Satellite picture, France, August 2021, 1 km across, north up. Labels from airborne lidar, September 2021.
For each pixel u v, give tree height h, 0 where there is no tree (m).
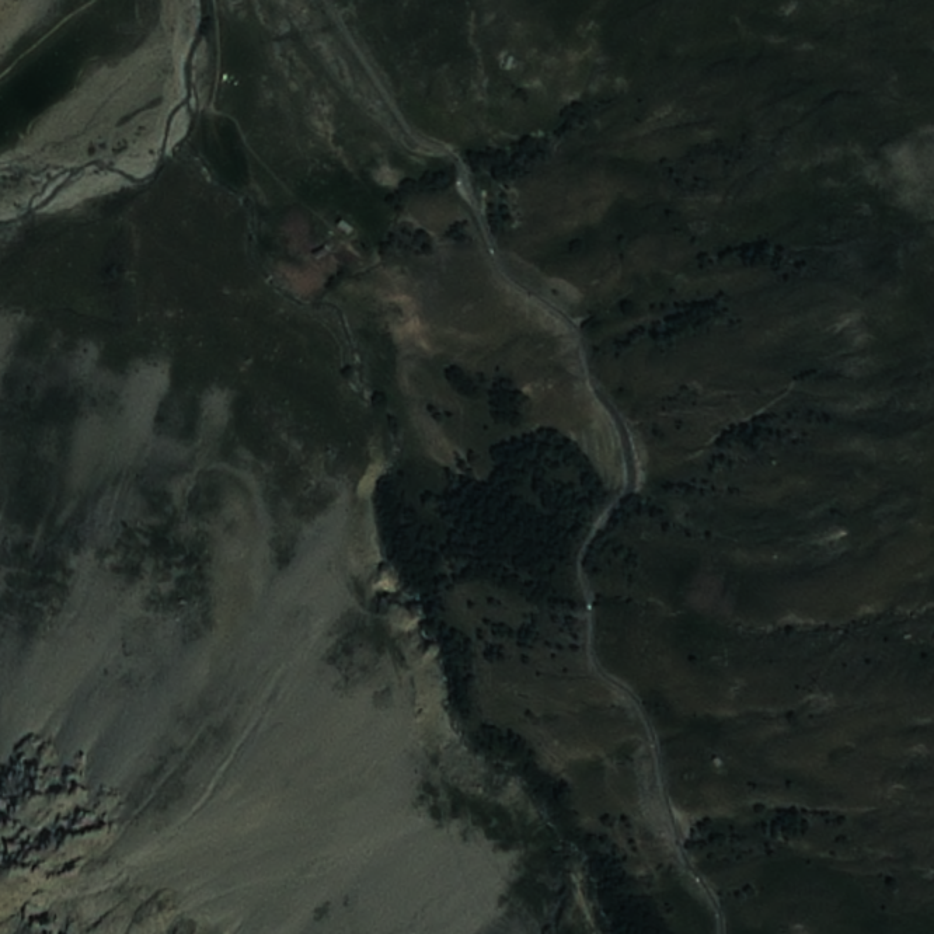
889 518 0
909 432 0
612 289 0
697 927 0
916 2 0
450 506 11
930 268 0
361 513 0
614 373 0
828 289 0
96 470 0
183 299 0
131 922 0
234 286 0
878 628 0
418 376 0
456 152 0
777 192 0
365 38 0
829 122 0
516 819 0
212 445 0
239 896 0
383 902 0
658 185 0
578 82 0
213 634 0
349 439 0
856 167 0
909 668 0
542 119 0
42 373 0
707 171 0
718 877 0
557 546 8
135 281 0
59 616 0
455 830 0
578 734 0
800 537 0
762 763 0
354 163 0
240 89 0
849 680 0
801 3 0
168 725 0
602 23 0
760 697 0
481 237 0
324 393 0
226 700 0
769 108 0
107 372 0
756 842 0
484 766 0
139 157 0
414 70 0
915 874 0
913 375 0
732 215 0
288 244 0
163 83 0
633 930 9
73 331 0
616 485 0
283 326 0
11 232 0
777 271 7
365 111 0
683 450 0
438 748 0
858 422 0
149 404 0
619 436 0
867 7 0
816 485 0
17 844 0
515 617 0
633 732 0
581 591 0
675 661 0
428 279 0
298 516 0
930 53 0
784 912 0
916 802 0
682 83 0
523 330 0
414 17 0
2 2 0
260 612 0
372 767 0
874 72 0
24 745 0
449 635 7
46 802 0
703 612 0
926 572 0
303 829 0
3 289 0
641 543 0
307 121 0
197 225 0
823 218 0
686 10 0
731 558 0
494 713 0
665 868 6
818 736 0
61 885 0
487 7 0
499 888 0
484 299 0
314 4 0
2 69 0
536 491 7
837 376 0
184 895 0
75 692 0
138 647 0
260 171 0
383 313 0
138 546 0
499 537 7
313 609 0
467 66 0
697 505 0
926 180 0
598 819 0
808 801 0
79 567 0
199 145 0
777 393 0
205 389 0
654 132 0
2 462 0
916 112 0
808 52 0
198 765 0
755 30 0
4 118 0
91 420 0
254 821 0
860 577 0
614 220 0
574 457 10
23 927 0
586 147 0
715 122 0
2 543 0
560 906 0
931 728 0
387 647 0
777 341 0
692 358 0
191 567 0
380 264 0
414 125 0
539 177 0
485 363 0
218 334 0
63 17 0
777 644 0
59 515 0
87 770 0
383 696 0
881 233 0
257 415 0
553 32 0
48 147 0
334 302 0
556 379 0
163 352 0
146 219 0
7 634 0
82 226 0
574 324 0
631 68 0
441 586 10
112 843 0
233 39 0
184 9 0
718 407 0
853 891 0
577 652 6
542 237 0
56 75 0
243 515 0
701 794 0
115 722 0
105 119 0
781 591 0
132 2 0
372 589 0
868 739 0
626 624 0
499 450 8
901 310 0
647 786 0
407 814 0
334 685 0
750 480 0
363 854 0
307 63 0
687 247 0
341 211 0
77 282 0
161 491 0
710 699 0
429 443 0
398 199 8
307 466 0
